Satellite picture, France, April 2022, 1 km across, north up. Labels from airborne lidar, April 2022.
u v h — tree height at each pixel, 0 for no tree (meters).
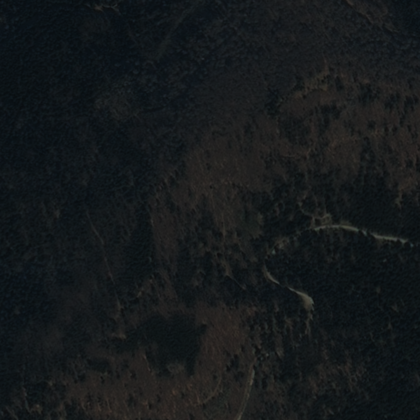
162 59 10
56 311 19
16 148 22
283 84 18
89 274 22
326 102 15
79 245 19
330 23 25
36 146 24
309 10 20
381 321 29
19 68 23
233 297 13
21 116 23
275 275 22
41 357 21
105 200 16
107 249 13
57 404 23
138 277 15
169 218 16
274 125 14
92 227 19
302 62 19
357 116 15
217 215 23
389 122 17
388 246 29
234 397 22
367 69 22
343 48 17
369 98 16
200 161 15
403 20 21
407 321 32
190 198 24
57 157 22
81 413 19
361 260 23
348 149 19
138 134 13
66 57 27
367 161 23
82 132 26
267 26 26
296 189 25
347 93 15
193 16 9
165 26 15
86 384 17
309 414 26
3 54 17
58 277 22
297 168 25
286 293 18
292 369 25
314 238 27
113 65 20
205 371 20
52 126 22
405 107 12
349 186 32
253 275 21
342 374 30
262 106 15
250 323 18
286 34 23
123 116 14
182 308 18
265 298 21
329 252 26
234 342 17
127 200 13
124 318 12
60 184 24
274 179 24
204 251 9
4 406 18
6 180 23
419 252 25
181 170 16
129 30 13
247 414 21
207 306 20
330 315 25
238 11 28
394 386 28
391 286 28
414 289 24
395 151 20
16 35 22
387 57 23
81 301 17
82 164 20
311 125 19
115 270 18
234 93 21
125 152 19
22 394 17
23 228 21
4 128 27
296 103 15
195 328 17
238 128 17
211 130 19
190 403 20
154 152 12
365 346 30
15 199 20
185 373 21
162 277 19
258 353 15
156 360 21
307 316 28
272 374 28
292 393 26
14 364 22
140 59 30
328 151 24
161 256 16
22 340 20
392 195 25
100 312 18
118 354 20
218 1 12
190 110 20
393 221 19
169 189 15
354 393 12
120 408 15
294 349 22
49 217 19
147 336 18
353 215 31
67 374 13
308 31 22
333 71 15
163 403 19
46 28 23
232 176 27
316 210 23
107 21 21
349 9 30
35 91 21
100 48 14
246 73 23
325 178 24
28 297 20
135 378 16
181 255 25
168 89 8
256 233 23
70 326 21
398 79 13
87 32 21
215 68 26
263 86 21
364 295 29
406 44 31
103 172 19
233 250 15
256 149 19
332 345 23
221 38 27
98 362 21
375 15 32
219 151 19
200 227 22
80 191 21
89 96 24
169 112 11
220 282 12
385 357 32
